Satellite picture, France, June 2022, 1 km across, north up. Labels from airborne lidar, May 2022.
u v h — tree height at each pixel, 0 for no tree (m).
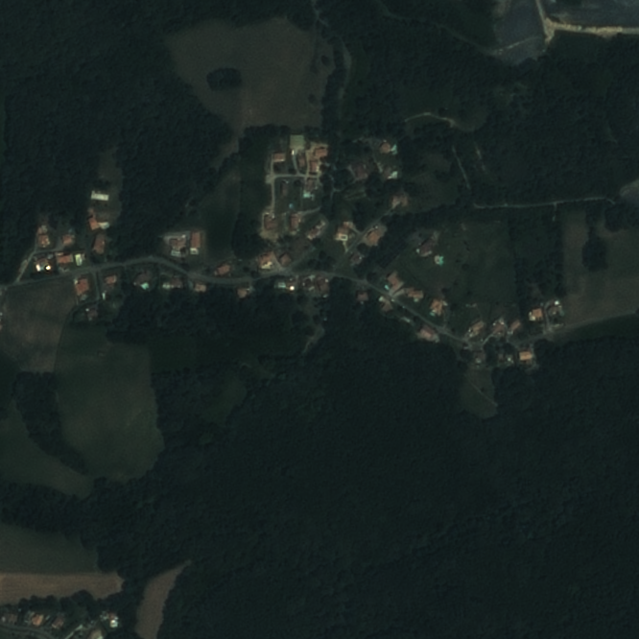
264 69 0
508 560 21
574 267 0
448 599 31
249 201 0
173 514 15
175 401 33
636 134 21
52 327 0
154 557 10
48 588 0
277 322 26
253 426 19
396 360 14
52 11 15
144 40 21
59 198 25
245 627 19
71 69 17
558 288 8
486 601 27
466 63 18
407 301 0
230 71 13
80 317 12
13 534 0
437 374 24
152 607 0
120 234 7
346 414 18
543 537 18
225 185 0
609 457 26
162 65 16
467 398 0
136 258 18
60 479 0
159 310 27
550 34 0
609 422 26
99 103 25
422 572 25
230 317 33
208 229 0
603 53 8
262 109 0
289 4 17
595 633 23
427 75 10
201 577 7
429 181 0
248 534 17
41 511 23
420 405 19
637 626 23
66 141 25
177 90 18
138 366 0
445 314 0
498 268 0
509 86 10
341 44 19
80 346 0
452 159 10
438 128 13
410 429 20
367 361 18
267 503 23
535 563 22
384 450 21
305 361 16
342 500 25
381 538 22
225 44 0
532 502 19
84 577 0
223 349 6
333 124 20
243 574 20
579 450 26
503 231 0
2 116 0
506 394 21
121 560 19
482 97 11
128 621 17
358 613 28
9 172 26
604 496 24
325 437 24
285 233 0
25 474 0
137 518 18
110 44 21
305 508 26
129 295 8
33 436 12
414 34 23
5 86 22
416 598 28
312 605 26
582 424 26
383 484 19
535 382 27
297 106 0
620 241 0
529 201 8
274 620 21
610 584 18
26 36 16
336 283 17
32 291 0
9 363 0
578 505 18
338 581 26
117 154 14
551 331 0
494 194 9
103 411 0
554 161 16
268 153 0
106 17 22
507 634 20
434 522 21
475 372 0
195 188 18
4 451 0
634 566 20
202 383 32
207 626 21
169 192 19
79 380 0
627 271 0
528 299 9
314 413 16
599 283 0
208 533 9
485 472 26
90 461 0
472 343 0
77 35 14
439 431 23
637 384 24
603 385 28
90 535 28
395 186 17
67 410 0
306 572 18
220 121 17
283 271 0
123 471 0
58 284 0
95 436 0
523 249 0
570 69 13
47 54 9
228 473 26
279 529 21
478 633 26
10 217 23
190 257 0
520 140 9
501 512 15
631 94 17
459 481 24
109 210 0
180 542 9
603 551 18
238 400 0
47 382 25
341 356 21
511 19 0
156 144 21
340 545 25
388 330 7
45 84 23
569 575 17
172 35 6
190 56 0
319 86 0
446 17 8
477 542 23
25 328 0
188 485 30
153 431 0
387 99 16
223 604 23
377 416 19
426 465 19
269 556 16
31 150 19
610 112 17
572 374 27
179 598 19
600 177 13
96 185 11
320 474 25
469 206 14
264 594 23
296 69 0
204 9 17
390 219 7
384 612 25
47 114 9
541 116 15
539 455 22
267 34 0
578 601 19
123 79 26
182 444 12
